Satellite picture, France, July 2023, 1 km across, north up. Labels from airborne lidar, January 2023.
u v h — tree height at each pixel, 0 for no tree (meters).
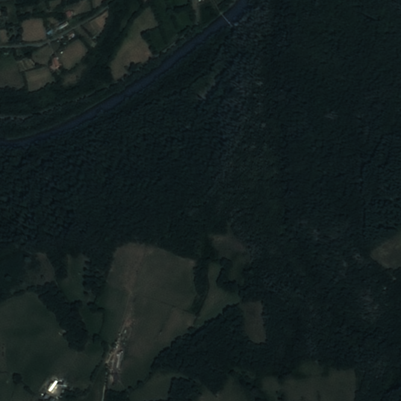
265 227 18
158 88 7
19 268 0
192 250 21
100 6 6
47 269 0
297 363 20
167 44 10
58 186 33
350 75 21
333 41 15
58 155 19
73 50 0
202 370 23
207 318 0
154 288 0
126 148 23
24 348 0
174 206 20
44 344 0
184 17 0
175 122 25
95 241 24
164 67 0
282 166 19
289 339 26
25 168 21
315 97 20
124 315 0
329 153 18
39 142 24
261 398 8
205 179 16
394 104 18
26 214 29
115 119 22
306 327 22
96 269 18
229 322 20
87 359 0
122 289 0
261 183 18
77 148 24
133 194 20
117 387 0
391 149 20
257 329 0
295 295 21
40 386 0
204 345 25
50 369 0
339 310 20
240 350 17
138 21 0
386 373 13
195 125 21
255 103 21
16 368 0
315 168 21
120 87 17
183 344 20
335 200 21
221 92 19
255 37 25
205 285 12
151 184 22
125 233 17
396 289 16
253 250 21
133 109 16
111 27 10
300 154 20
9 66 0
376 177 24
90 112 0
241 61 31
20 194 25
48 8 10
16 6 14
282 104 24
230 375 10
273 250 17
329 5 25
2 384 0
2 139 0
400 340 16
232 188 22
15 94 17
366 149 19
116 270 0
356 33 19
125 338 0
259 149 14
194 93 16
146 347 0
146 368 0
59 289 13
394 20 18
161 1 0
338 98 22
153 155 19
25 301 0
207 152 22
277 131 22
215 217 19
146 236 18
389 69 22
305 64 22
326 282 18
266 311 13
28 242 21
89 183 19
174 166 23
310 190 18
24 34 0
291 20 25
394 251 0
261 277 20
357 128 17
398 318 18
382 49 24
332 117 25
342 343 20
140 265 0
